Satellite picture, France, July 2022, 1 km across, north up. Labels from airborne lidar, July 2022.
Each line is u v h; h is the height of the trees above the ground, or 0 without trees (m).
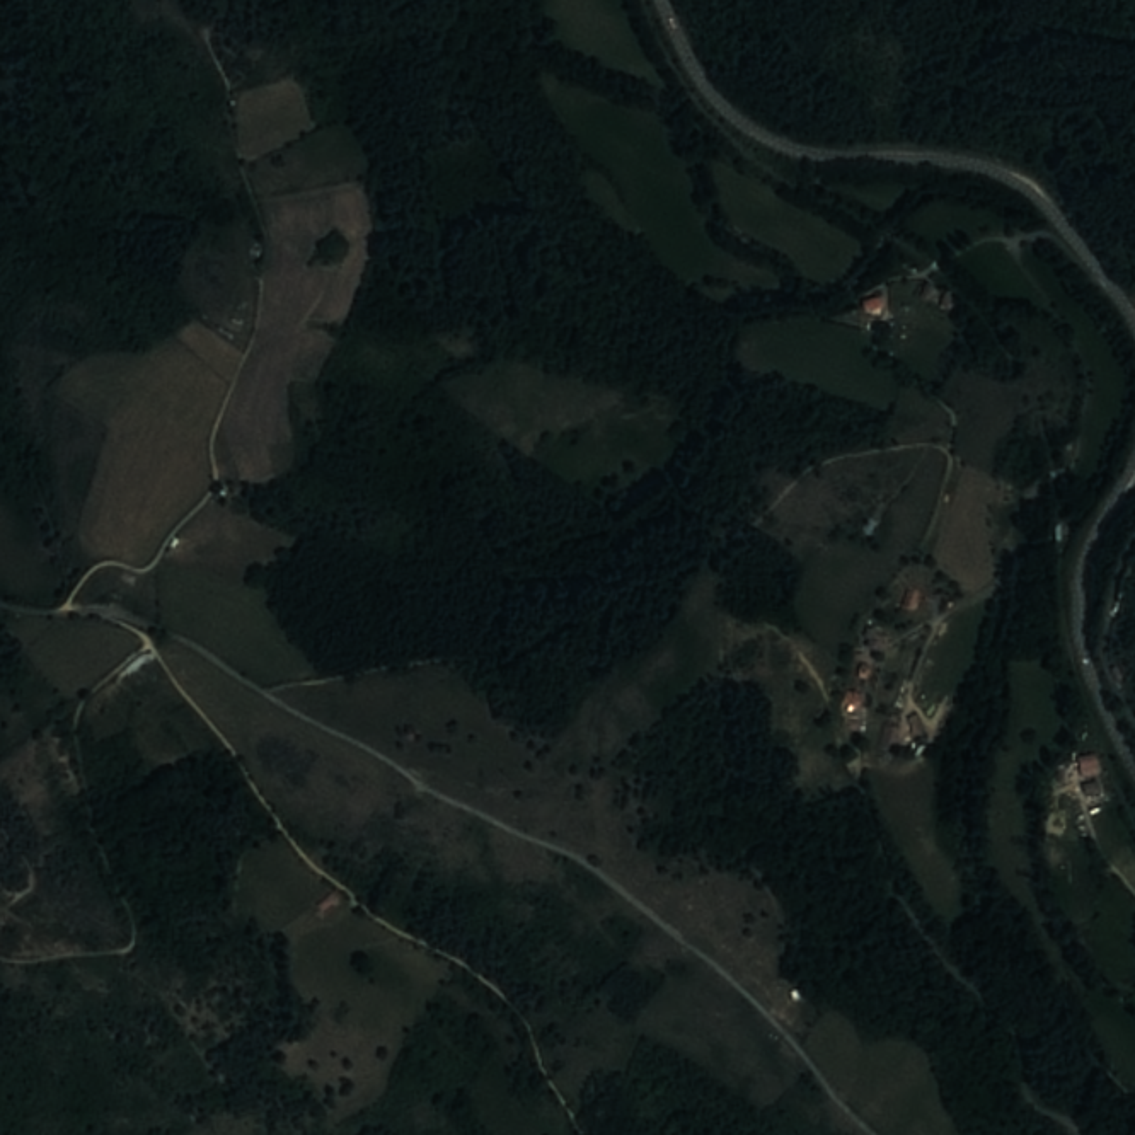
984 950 22
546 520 21
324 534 18
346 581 20
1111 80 29
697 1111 8
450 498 17
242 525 0
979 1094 13
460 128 28
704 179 26
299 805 0
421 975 0
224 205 11
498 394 0
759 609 14
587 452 0
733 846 9
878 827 18
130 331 7
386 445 11
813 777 0
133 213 13
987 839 17
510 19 25
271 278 0
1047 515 18
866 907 14
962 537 0
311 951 0
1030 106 26
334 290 0
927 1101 0
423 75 33
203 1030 7
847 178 21
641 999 10
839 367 0
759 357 0
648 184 0
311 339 0
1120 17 11
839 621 0
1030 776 23
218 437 0
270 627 0
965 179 12
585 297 15
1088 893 0
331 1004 0
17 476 6
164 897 21
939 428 0
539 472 19
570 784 0
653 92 24
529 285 16
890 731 0
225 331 0
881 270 11
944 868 0
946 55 29
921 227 0
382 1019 0
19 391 8
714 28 12
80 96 16
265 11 11
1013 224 9
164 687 0
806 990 14
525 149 22
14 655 19
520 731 14
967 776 12
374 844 0
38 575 0
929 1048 9
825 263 0
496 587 21
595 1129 11
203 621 0
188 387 0
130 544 0
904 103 8
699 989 0
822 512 0
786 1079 0
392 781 0
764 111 15
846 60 12
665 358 22
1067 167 24
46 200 7
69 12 12
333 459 17
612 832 0
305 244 0
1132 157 12
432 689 0
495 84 27
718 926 0
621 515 31
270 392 0
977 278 8
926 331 0
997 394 0
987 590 0
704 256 0
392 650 17
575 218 19
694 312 21
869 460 0
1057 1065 31
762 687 19
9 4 14
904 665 0
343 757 0
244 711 0
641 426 0
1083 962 18
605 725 0
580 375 9
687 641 0
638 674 0
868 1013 8
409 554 11
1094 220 25
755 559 12
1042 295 0
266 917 0
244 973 9
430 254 35
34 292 8
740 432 16
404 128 19
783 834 8
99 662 0
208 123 6
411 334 7
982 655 14
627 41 0
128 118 9
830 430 8
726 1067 0
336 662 14
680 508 11
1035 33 14
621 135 0
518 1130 0
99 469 0
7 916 0
